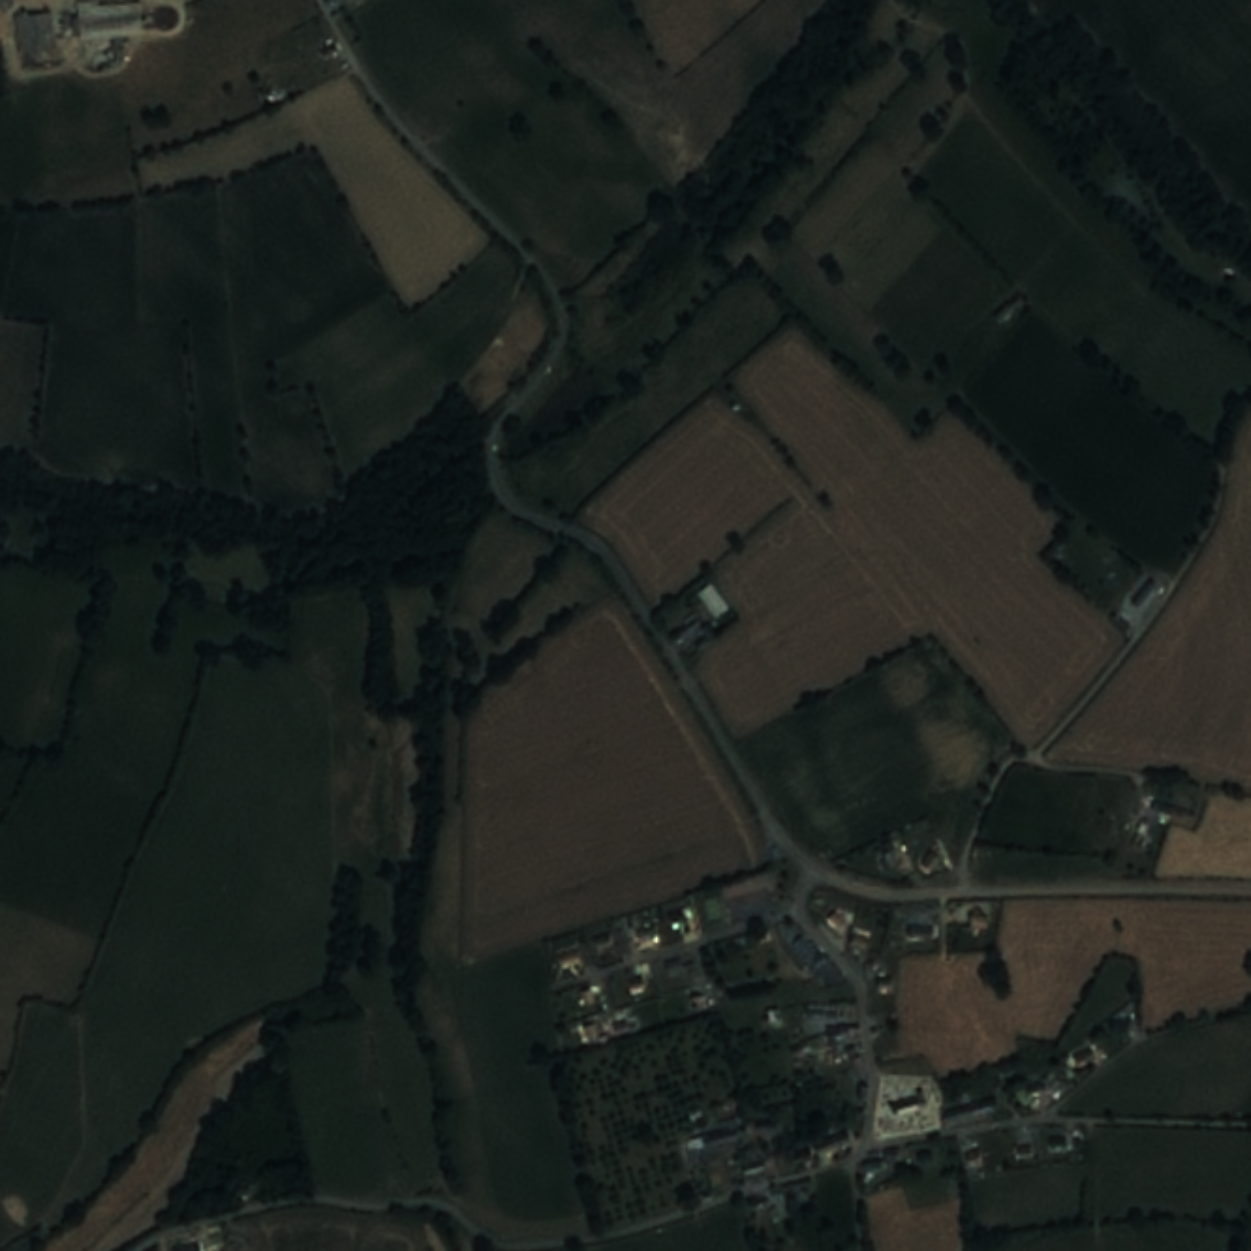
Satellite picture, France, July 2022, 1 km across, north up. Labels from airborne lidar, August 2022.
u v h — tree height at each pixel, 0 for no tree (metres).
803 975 0
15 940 0
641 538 0
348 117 0
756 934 11
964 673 7
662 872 0
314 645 0
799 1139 8
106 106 0
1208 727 0
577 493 0
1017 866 0
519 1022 0
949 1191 0
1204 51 0
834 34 16
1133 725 0
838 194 0
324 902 0
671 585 0
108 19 0
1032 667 0
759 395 0
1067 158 10
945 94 0
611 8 0
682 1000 0
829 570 0
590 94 6
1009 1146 0
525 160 0
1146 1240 0
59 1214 0
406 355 0
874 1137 0
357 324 0
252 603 18
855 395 0
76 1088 0
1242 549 0
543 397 0
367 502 10
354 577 21
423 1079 0
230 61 0
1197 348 0
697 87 0
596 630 0
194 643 0
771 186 20
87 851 0
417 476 18
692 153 0
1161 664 0
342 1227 0
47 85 0
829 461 0
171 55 0
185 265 0
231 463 0
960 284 0
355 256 0
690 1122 6
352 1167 0
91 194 0
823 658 0
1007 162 0
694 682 0
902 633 0
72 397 0
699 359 0
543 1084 0
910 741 0
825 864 0
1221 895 0
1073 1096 0
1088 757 0
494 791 0
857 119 0
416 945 15
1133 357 0
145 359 0
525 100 0
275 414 0
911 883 6
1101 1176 0
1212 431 0
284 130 0
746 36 0
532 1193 0
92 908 0
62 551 19
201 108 0
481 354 0
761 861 0
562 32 0
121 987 0
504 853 0
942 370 14
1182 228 10
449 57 0
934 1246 0
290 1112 6
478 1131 0
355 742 0
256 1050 0
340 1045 0
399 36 0
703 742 0
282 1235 0
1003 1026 0
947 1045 0
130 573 0
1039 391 0
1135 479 0
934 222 0
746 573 0
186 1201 7
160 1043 0
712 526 0
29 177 0
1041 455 0
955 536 0
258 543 19
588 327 0
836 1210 0
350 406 0
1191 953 0
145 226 0
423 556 8
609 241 0
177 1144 0
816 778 0
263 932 0
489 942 0
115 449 0
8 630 0
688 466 0
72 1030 0
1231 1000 0
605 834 0
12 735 0
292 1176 7
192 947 0
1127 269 0
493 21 0
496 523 0
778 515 0
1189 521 0
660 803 0
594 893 0
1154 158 8
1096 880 0
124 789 0
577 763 0
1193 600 0
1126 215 18
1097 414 0
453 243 0
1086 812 0
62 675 0
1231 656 0
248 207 0
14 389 0
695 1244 0
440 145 0
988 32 0
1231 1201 0
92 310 0
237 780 0
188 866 0
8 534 16
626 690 0
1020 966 0
